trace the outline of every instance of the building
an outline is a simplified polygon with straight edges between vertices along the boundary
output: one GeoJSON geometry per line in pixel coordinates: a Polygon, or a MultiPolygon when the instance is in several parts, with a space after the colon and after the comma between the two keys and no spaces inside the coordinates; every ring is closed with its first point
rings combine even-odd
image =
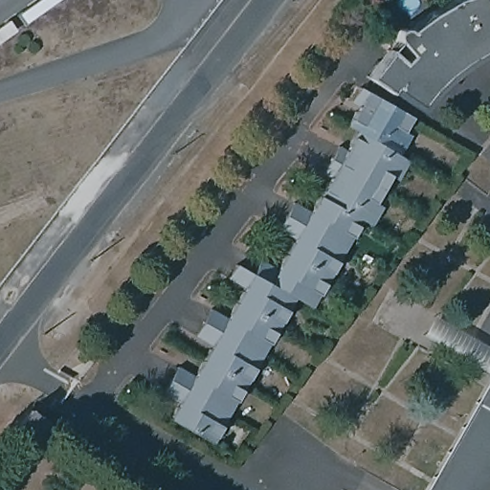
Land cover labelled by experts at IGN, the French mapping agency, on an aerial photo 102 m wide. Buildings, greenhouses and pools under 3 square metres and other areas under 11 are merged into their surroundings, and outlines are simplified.
{"type": "Polygon", "coordinates": [[[19,413],[11,421],[10,427],[19,427],[27,431],[34,419],[40,419],[38,410],[42,406],[38,400],[31,402],[19,413]]]}
{"type": "Polygon", "coordinates": [[[440,335],[438,331],[429,331],[431,341],[436,343],[450,346],[459,354],[471,354],[473,358],[477,358],[484,369],[484,375],[480,379],[482,390],[479,398],[473,410],[465,417],[463,427],[457,431],[450,450],[444,454],[442,461],[438,461],[434,477],[431,477],[427,482],[425,490],[490,490],[490,346],[467,335],[465,327],[448,327],[448,337],[440,335]]]}
{"type": "Polygon", "coordinates": [[[463,0],[454,8],[436,15],[419,31],[398,33],[394,40],[385,42],[383,48],[385,56],[373,69],[371,82],[375,82],[392,96],[400,96],[410,101],[417,109],[427,103],[436,105],[442,98],[448,101],[444,92],[461,78],[475,75],[479,67],[486,65],[486,59],[490,57],[490,0],[463,0]]]}
{"type": "Polygon", "coordinates": [[[241,266],[235,270],[232,279],[243,287],[241,299],[237,302],[234,310],[226,306],[214,306],[197,341],[201,345],[209,346],[209,356],[205,360],[203,366],[199,367],[197,375],[180,367],[172,379],[172,389],[178,396],[178,408],[174,413],[174,419],[182,427],[203,438],[209,438],[211,442],[220,440],[224,436],[224,425],[220,425],[222,419],[234,415],[237,404],[245,398],[247,385],[251,385],[258,375],[258,369],[251,366],[253,360],[266,358],[270,348],[278,341],[278,327],[283,327],[291,320],[291,310],[283,308],[285,302],[304,304],[316,308],[318,302],[327,295],[329,287],[325,279],[335,278],[339,274],[343,255],[348,253],[352,243],[356,241],[362,232],[369,230],[369,226],[377,224],[383,214],[383,199],[392,182],[404,178],[406,170],[410,168],[410,161],[402,155],[412,144],[412,126],[415,122],[415,117],[410,113],[402,111],[400,107],[360,86],[354,86],[352,96],[356,107],[352,109],[354,117],[350,122],[354,128],[354,138],[350,142],[345,163],[331,161],[329,170],[323,170],[318,176],[322,180],[318,189],[322,199],[316,205],[297,201],[289,201],[285,222],[287,230],[295,237],[295,245],[281,264],[279,285],[255,276],[253,272],[241,266]]]}

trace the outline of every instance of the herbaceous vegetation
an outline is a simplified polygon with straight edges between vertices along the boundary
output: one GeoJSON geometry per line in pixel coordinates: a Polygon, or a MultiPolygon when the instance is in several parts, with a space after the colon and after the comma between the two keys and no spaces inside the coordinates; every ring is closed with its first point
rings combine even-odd
{"type": "Polygon", "coordinates": [[[253,165],[249,165],[239,153],[232,157],[232,165],[241,167],[241,174],[245,178],[251,176],[253,165]]]}
{"type": "Polygon", "coordinates": [[[404,237],[404,230],[413,228],[412,218],[402,207],[390,207],[390,195],[398,195],[408,203],[417,203],[423,209],[429,209],[429,197],[434,195],[431,188],[419,184],[417,180],[406,182],[404,178],[392,182],[383,199],[383,214],[377,224],[377,230],[383,230],[392,237],[404,237]]]}
{"type": "Polygon", "coordinates": [[[312,132],[318,138],[323,138],[331,144],[345,142],[339,134],[329,132],[327,122],[333,121],[333,115],[339,115],[350,122],[354,117],[352,109],[356,107],[352,96],[339,96],[329,101],[312,128],[312,132]]]}
{"type": "Polygon", "coordinates": [[[352,304],[360,306],[362,314],[341,335],[333,352],[316,367],[312,377],[306,381],[306,385],[295,396],[295,400],[285,408],[285,413],[281,417],[291,419],[302,431],[312,434],[316,429],[320,429],[316,413],[325,404],[325,396],[337,396],[337,415],[346,415],[352,421],[352,425],[356,425],[356,431],[348,431],[331,438],[327,446],[339,459],[354,467],[366,469],[369,465],[367,448],[377,446],[389,434],[392,440],[392,454],[398,459],[400,456],[408,459],[413,467],[431,477],[434,477],[438,461],[442,461],[444,454],[450,450],[457,431],[463,427],[465,417],[473,410],[479,398],[482,390],[480,379],[457,392],[456,387],[448,381],[446,371],[429,362],[436,343],[431,341],[429,345],[413,343],[410,339],[390,333],[389,329],[383,327],[383,323],[373,323],[375,310],[385,297],[381,291],[371,302],[366,301],[364,295],[367,281],[373,281],[375,276],[373,256],[364,255],[364,276],[356,276],[354,270],[346,268],[346,262],[356,255],[356,241],[352,243],[348,253],[343,255],[339,274],[335,278],[325,279],[329,287],[337,283],[345,285],[345,289],[352,293],[352,304]],[[412,423],[404,417],[404,406],[408,404],[406,383],[412,377],[413,371],[417,371],[429,383],[434,408],[444,408],[436,417],[436,425],[412,427],[412,423]]]}
{"type": "Polygon", "coordinates": [[[442,142],[436,142],[427,136],[419,136],[419,124],[415,122],[412,126],[412,144],[402,155],[410,161],[421,159],[427,167],[438,170],[442,176],[450,176],[450,165],[457,161],[456,153],[442,142]]]}
{"type": "Polygon", "coordinates": [[[209,346],[201,345],[197,341],[182,333],[178,341],[191,348],[193,352],[201,354],[205,360],[209,356],[209,346]]]}
{"type": "Polygon", "coordinates": [[[392,25],[392,29],[396,29],[398,33],[419,31],[436,15],[454,8],[463,0],[417,0],[419,10],[415,15],[410,15],[402,0],[389,0],[379,6],[390,15],[387,25],[392,25]]]}
{"type": "Polygon", "coordinates": [[[385,473],[383,477],[392,482],[398,490],[425,490],[427,482],[413,477],[412,473],[398,465],[394,467],[392,475],[385,473]]]}
{"type": "Polygon", "coordinates": [[[11,44],[15,42],[15,36],[11,36],[0,46],[0,78],[27,71],[34,65],[42,65],[94,46],[101,46],[105,42],[117,40],[128,34],[140,33],[157,21],[163,8],[163,0],[63,0],[56,8],[42,13],[31,23],[25,21],[17,29],[17,33],[29,36],[29,40],[40,50],[36,54],[25,50],[21,52],[21,56],[11,57],[11,44]]]}
{"type": "Polygon", "coordinates": [[[214,274],[211,285],[226,285],[234,291],[237,302],[241,299],[243,287],[232,279],[214,274]]]}
{"type": "Polygon", "coordinates": [[[36,197],[46,199],[46,203],[38,207],[33,214],[21,214],[8,224],[0,226],[0,279],[6,276],[8,270],[15,270],[19,266],[19,255],[27,249],[27,245],[36,235],[40,234],[42,224],[59,207],[67,205],[78,182],[92,168],[100,165],[98,157],[101,147],[113,138],[115,128],[121,124],[122,115],[130,113],[140,103],[145,88],[153,86],[157,77],[163,75],[163,71],[170,65],[170,57],[165,54],[151,57],[134,65],[122,67],[119,71],[113,71],[111,75],[98,73],[94,77],[80,78],[54,88],[38,90],[19,100],[0,103],[0,207],[15,203],[19,197],[31,197],[33,193],[36,197]]]}
{"type": "Polygon", "coordinates": [[[19,413],[31,402],[38,400],[42,396],[40,390],[19,383],[4,385],[0,381],[0,434],[10,427],[11,421],[19,413]]]}
{"type": "Polygon", "coordinates": [[[42,459],[23,490],[46,490],[44,480],[52,475],[54,465],[42,459]]]}
{"type": "Polygon", "coordinates": [[[463,170],[461,184],[479,189],[480,193],[490,197],[490,161],[479,153],[477,159],[469,165],[469,170],[463,170]]]}
{"type": "Polygon", "coordinates": [[[247,258],[243,258],[241,266],[253,272],[255,276],[279,285],[281,264],[276,264],[274,268],[262,268],[247,258]]]}
{"type": "Polygon", "coordinates": [[[188,362],[191,354],[180,352],[176,346],[165,341],[159,341],[155,345],[157,356],[167,358],[172,364],[188,362]]]}
{"type": "Polygon", "coordinates": [[[400,258],[398,266],[392,270],[383,287],[385,291],[392,289],[394,293],[404,268],[408,268],[412,270],[415,278],[423,279],[431,289],[438,289],[436,301],[431,308],[438,318],[442,318],[444,304],[454,295],[461,301],[463,312],[469,318],[475,318],[479,318],[486,304],[490,302],[490,255],[484,260],[467,256],[467,247],[459,243],[463,241],[463,237],[471,230],[473,224],[484,224],[490,232],[490,212],[473,209],[471,201],[457,201],[452,201],[446,209],[448,220],[459,224],[457,232],[440,235],[438,228],[429,224],[429,230],[421,235],[421,239],[404,255],[404,258],[400,258]]]}
{"type": "Polygon", "coordinates": [[[184,128],[168,145],[165,155],[145,174],[144,180],[115,214],[109,234],[98,239],[98,243],[78,262],[77,268],[65,281],[65,285],[57,291],[56,299],[44,304],[38,312],[36,320],[42,325],[38,329],[38,346],[42,358],[46,360],[46,375],[59,381],[67,394],[73,394],[77,387],[92,383],[98,367],[94,367],[94,362],[80,362],[78,358],[80,350],[77,341],[80,327],[86,322],[98,325],[101,333],[105,333],[109,341],[109,352],[119,352],[119,348],[132,337],[132,323],[113,323],[107,318],[107,314],[101,312],[105,310],[111,295],[121,289],[126,299],[134,304],[136,312],[142,314],[147,310],[153,295],[142,293],[132,281],[126,281],[130,278],[132,262],[138,256],[147,256],[155,262],[163,262],[170,272],[170,279],[178,278],[178,274],[182,272],[186,264],[184,258],[168,258],[163,247],[155,243],[157,228],[163,230],[168,218],[174,220],[174,226],[191,245],[197,245],[203,237],[211,235],[211,224],[197,226],[195,220],[189,218],[186,209],[189,207],[189,195],[197,191],[203,197],[211,197],[220,212],[228,211],[230,203],[234,201],[234,191],[218,188],[212,182],[211,176],[212,168],[218,167],[218,161],[224,155],[226,147],[232,144],[232,130],[235,126],[239,126],[243,119],[249,117],[251,121],[258,122],[260,130],[268,138],[274,138],[276,142],[279,142],[279,145],[287,144],[289,138],[295,136],[301,128],[299,121],[279,121],[276,113],[264,107],[262,98],[266,96],[268,88],[278,88],[279,96],[283,100],[291,98],[297,101],[299,113],[308,111],[310,103],[316,98],[316,90],[301,88],[291,80],[289,63],[299,63],[302,56],[318,67],[320,75],[331,77],[339,67],[337,59],[323,56],[322,50],[316,48],[316,44],[320,42],[320,36],[329,29],[333,8],[341,0],[283,0],[276,6],[276,10],[272,11],[266,29],[256,34],[255,42],[235,63],[234,73],[222,78],[222,82],[193,109],[184,128]]]}
{"type": "Polygon", "coordinates": [[[251,385],[247,385],[245,398],[237,404],[234,415],[222,419],[220,425],[224,425],[224,436],[220,440],[228,446],[228,450],[235,450],[235,444],[241,444],[241,440],[245,438],[247,427],[258,429],[262,419],[270,417],[272,404],[264,400],[264,396],[276,402],[279,394],[289,390],[289,377],[276,369],[268,369],[270,360],[276,360],[293,375],[301,373],[299,366],[310,362],[310,354],[304,348],[289,343],[283,337],[285,333],[295,333],[301,327],[297,322],[297,312],[304,308],[304,304],[285,302],[283,308],[291,310],[291,320],[283,327],[278,327],[278,341],[270,348],[266,358],[253,360],[251,366],[258,369],[258,375],[251,385]]]}

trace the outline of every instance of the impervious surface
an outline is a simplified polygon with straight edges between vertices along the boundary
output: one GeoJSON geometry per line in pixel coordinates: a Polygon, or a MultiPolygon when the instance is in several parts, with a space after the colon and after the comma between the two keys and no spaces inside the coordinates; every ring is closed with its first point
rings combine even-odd
{"type": "Polygon", "coordinates": [[[429,331],[438,331],[440,335],[448,337],[448,327],[442,323],[442,318],[438,318],[431,308],[425,308],[421,304],[402,304],[398,302],[394,293],[392,289],[385,291],[383,287],[381,291],[385,297],[375,310],[373,323],[383,323],[383,327],[389,329],[390,333],[410,339],[413,343],[429,345],[431,341],[429,331]]]}
{"type": "Polygon", "coordinates": [[[40,390],[42,396],[38,400],[42,406],[50,410],[59,410],[63,419],[69,421],[73,427],[92,434],[92,448],[109,448],[111,444],[119,444],[122,459],[136,463],[149,477],[165,480],[170,490],[398,490],[392,482],[383,477],[366,469],[354,467],[339,459],[327,446],[312,434],[302,431],[291,419],[281,417],[270,427],[262,442],[256,444],[255,452],[251,452],[251,457],[243,461],[241,469],[237,471],[228,471],[220,465],[212,465],[205,457],[191,452],[188,446],[153,431],[149,425],[140,423],[134,415],[126,412],[115,402],[115,396],[122,383],[130,385],[132,381],[136,381],[144,385],[145,389],[155,387],[155,392],[163,398],[165,419],[174,419],[174,413],[178,408],[178,396],[172,389],[172,379],[180,367],[197,375],[199,367],[188,362],[172,364],[167,358],[157,356],[155,345],[159,341],[165,341],[168,329],[174,322],[180,323],[182,333],[197,341],[214,306],[209,299],[197,297],[197,291],[201,287],[211,285],[214,274],[232,279],[235,270],[241,266],[243,258],[247,258],[249,247],[243,241],[253,224],[258,220],[272,222],[276,226],[285,222],[289,201],[297,201],[293,193],[285,191],[287,167],[301,168],[304,165],[304,170],[308,174],[318,176],[323,170],[329,170],[331,161],[345,163],[350,142],[345,142],[331,144],[323,138],[318,138],[312,132],[312,128],[329,101],[339,96],[352,96],[354,86],[360,86],[400,107],[402,111],[410,113],[415,117],[415,122],[419,124],[423,122],[434,128],[438,134],[446,136],[448,140],[454,140],[457,144],[467,147],[469,151],[479,153],[490,161],[490,130],[480,130],[479,124],[475,121],[475,111],[480,105],[490,107],[490,57],[486,59],[486,65],[479,67],[475,75],[461,78],[444,92],[448,101],[442,98],[436,105],[427,103],[417,109],[410,101],[400,96],[392,96],[375,82],[371,82],[373,69],[385,56],[383,48],[371,50],[366,40],[362,40],[354,42],[352,52],[337,59],[339,67],[331,77],[320,75],[320,88],[316,90],[316,98],[310,103],[308,111],[299,113],[299,121],[301,128],[295,136],[289,138],[287,144],[279,145],[279,142],[276,142],[276,157],[272,161],[266,161],[264,165],[253,165],[251,176],[245,178],[243,186],[234,191],[234,201],[230,203],[228,211],[220,212],[218,220],[211,224],[211,235],[203,237],[197,245],[191,245],[193,253],[184,258],[186,264],[182,272],[178,274],[178,278],[170,279],[165,293],[153,295],[147,310],[142,314],[136,312],[132,323],[132,337],[119,348],[119,352],[109,352],[109,362],[98,367],[92,383],[77,387],[73,394],[67,394],[59,381],[46,375],[46,360],[42,358],[38,346],[38,329],[42,325],[36,320],[38,312],[44,304],[56,299],[57,291],[65,285],[65,281],[77,268],[78,262],[98,243],[98,239],[109,234],[115,214],[144,180],[145,174],[165,155],[168,145],[184,128],[193,109],[222,82],[222,78],[234,73],[235,63],[255,42],[256,34],[266,29],[272,11],[276,10],[276,6],[283,0],[163,0],[163,8],[157,21],[140,33],[128,34],[117,40],[105,42],[101,46],[94,46],[42,65],[34,65],[27,71],[0,78],[0,103],[19,100],[38,90],[54,88],[80,78],[94,77],[98,73],[111,75],[113,71],[119,71],[122,67],[134,65],[151,57],[165,54],[170,57],[170,65],[163,71],[163,75],[157,77],[153,86],[145,88],[140,103],[130,113],[122,115],[121,124],[115,128],[113,138],[101,147],[98,157],[100,165],[92,168],[78,182],[67,205],[59,207],[42,224],[40,234],[36,235],[27,245],[27,249],[19,255],[19,266],[15,270],[8,270],[6,276],[0,279],[0,381],[4,385],[19,383],[40,390]],[[438,121],[440,113],[450,107],[463,113],[459,132],[446,128],[438,121]],[[172,454],[176,457],[176,461],[182,463],[186,477],[176,479],[167,467],[155,465],[153,461],[159,454],[172,454]]]}
{"type": "Polygon", "coordinates": [[[408,459],[400,456],[398,459],[398,465],[412,473],[413,477],[427,482],[431,477],[413,467],[408,459]]]}
{"type": "Polygon", "coordinates": [[[0,46],[11,36],[15,36],[17,33],[17,29],[25,21],[31,23],[42,13],[56,8],[63,0],[0,0],[0,46]]]}
{"type": "Polygon", "coordinates": [[[473,209],[490,212],[490,197],[480,193],[479,189],[461,184],[461,188],[457,189],[457,201],[471,201],[473,209]]]}
{"type": "Polygon", "coordinates": [[[486,304],[479,318],[475,318],[475,327],[465,327],[467,335],[490,346],[490,302],[486,304]]]}

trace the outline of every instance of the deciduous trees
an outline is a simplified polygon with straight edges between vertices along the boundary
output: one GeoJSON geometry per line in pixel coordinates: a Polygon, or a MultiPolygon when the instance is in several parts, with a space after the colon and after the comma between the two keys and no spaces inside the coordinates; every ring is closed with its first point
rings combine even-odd
{"type": "Polygon", "coordinates": [[[107,318],[113,323],[132,323],[136,312],[134,304],[126,299],[121,289],[111,295],[105,310],[101,312],[107,314],[107,318]]]}
{"type": "Polygon", "coordinates": [[[429,362],[446,371],[448,381],[456,387],[457,392],[480,379],[484,375],[484,369],[477,358],[473,358],[471,354],[459,354],[450,346],[436,343],[429,362]]]}
{"type": "Polygon", "coordinates": [[[463,237],[463,241],[459,243],[467,247],[467,256],[484,260],[490,255],[490,232],[484,224],[473,224],[471,230],[463,237]]]}
{"type": "Polygon", "coordinates": [[[297,201],[316,205],[322,199],[318,189],[322,180],[318,176],[308,174],[304,170],[304,165],[301,168],[287,167],[285,191],[293,193],[297,201]]]}
{"type": "Polygon", "coordinates": [[[25,50],[36,54],[40,50],[29,40],[29,36],[17,33],[15,36],[15,42],[11,44],[11,57],[21,56],[21,52],[25,50]]]}
{"type": "Polygon", "coordinates": [[[438,121],[446,128],[459,132],[463,113],[450,107],[440,113],[438,121]]]}
{"type": "Polygon", "coordinates": [[[289,63],[291,80],[301,88],[316,90],[320,88],[320,75],[318,67],[302,56],[299,63],[289,63]]]}
{"type": "Polygon", "coordinates": [[[197,226],[211,224],[218,220],[220,212],[211,197],[203,197],[197,191],[189,195],[189,207],[186,209],[189,218],[195,220],[197,226]]]}
{"type": "Polygon", "coordinates": [[[392,475],[394,467],[398,465],[398,459],[392,454],[392,440],[389,434],[377,446],[367,448],[369,465],[366,469],[383,477],[385,473],[392,475]]]}
{"type": "Polygon", "coordinates": [[[211,176],[212,182],[218,188],[234,191],[243,186],[245,178],[241,174],[241,167],[232,165],[232,157],[239,153],[249,165],[253,165],[264,165],[266,161],[272,161],[276,157],[276,142],[274,138],[268,138],[260,130],[258,122],[251,121],[249,117],[243,119],[239,126],[235,126],[232,130],[232,144],[226,147],[224,155],[218,161],[218,167],[212,168],[211,176]]]}
{"type": "Polygon", "coordinates": [[[475,121],[479,124],[480,130],[490,130],[490,107],[480,105],[475,111],[475,121]]]}
{"type": "Polygon", "coordinates": [[[191,354],[188,362],[199,367],[203,366],[205,360],[201,354],[193,352],[191,348],[178,341],[182,333],[180,323],[174,322],[168,329],[165,341],[176,346],[180,352],[191,354]]]}
{"type": "Polygon", "coordinates": [[[448,220],[446,209],[452,201],[457,201],[457,189],[461,188],[461,184],[463,170],[469,170],[469,165],[477,159],[479,153],[469,151],[467,147],[457,144],[454,140],[448,140],[446,136],[438,134],[434,128],[423,122],[419,124],[419,136],[427,136],[436,142],[442,142],[456,153],[457,161],[450,165],[450,176],[442,176],[438,170],[427,167],[421,159],[410,161],[410,168],[406,170],[404,178],[406,182],[417,180],[419,184],[431,188],[434,195],[429,197],[429,209],[423,209],[417,203],[408,203],[398,195],[390,195],[390,207],[402,207],[412,218],[413,228],[404,230],[404,237],[392,237],[383,230],[377,230],[377,224],[369,226],[369,230],[362,232],[356,241],[356,255],[346,262],[346,268],[354,270],[356,276],[364,276],[364,255],[373,256],[375,276],[373,281],[367,281],[364,295],[366,301],[371,302],[381,291],[383,287],[392,270],[398,266],[400,258],[404,258],[404,255],[421,239],[421,235],[429,230],[429,224],[438,228],[440,235],[457,232],[459,224],[448,220]]]}
{"type": "Polygon", "coordinates": [[[383,48],[385,42],[394,40],[398,33],[396,29],[392,29],[392,25],[387,25],[390,15],[379,6],[389,0],[341,0],[333,8],[329,29],[320,36],[320,42],[316,44],[316,48],[322,50],[323,56],[337,59],[352,52],[354,42],[362,40],[366,40],[371,50],[383,48]]]}
{"type": "Polygon", "coordinates": [[[352,421],[346,415],[337,415],[337,396],[325,396],[325,404],[316,413],[320,429],[316,429],[312,434],[327,446],[331,438],[348,431],[356,431],[356,425],[352,425],[352,421]]]}
{"type": "Polygon", "coordinates": [[[157,228],[155,243],[163,247],[168,258],[184,258],[193,253],[191,245],[174,226],[174,220],[168,218],[163,230],[157,228]]]}
{"type": "Polygon", "coordinates": [[[339,115],[333,115],[333,121],[327,122],[329,132],[339,134],[345,142],[350,142],[354,138],[354,128],[350,122],[339,115]]]}
{"type": "Polygon", "coordinates": [[[278,88],[268,88],[266,96],[262,98],[264,107],[276,113],[279,121],[299,121],[299,113],[297,101],[291,98],[283,100],[279,96],[278,88]]]}
{"type": "Polygon", "coordinates": [[[159,454],[153,461],[155,465],[167,467],[176,479],[186,477],[182,463],[176,461],[176,457],[172,454],[159,454]]]}
{"type": "Polygon", "coordinates": [[[310,354],[310,362],[299,366],[301,373],[293,375],[276,360],[270,360],[268,369],[276,369],[289,377],[289,390],[279,394],[276,402],[264,396],[264,400],[272,404],[270,417],[262,419],[258,429],[247,427],[245,438],[241,440],[241,444],[235,444],[235,450],[228,450],[228,446],[220,440],[211,442],[209,438],[203,438],[182,427],[174,419],[165,419],[163,398],[155,392],[155,387],[145,389],[144,385],[136,381],[132,381],[130,385],[122,383],[115,396],[115,402],[126,412],[134,415],[140,423],[149,425],[153,431],[188,446],[191,452],[205,457],[212,465],[220,465],[228,471],[237,471],[241,469],[243,461],[251,457],[251,452],[255,452],[256,444],[262,442],[270,427],[281,417],[285,413],[285,408],[295,400],[295,396],[306,385],[306,381],[312,377],[316,367],[333,352],[341,335],[362,314],[360,306],[352,304],[352,293],[345,289],[345,285],[337,283],[329,287],[327,295],[318,302],[316,308],[304,304],[304,308],[297,312],[297,322],[301,327],[295,333],[285,333],[283,337],[289,343],[304,348],[310,354]]]}
{"type": "Polygon", "coordinates": [[[42,406],[38,410],[40,419],[34,419],[27,431],[19,427],[10,427],[0,434],[0,490],[23,490],[42,459],[54,465],[52,475],[44,480],[46,490],[170,490],[165,480],[149,477],[136,463],[122,459],[119,444],[111,444],[109,448],[92,448],[92,434],[73,427],[69,421],[63,419],[59,410],[50,410],[42,406]]]}
{"type": "Polygon", "coordinates": [[[234,291],[226,285],[211,285],[201,287],[197,291],[197,297],[209,299],[214,306],[226,306],[234,310],[237,302],[234,291]]]}
{"type": "Polygon", "coordinates": [[[436,417],[444,408],[434,408],[429,383],[417,371],[413,371],[412,377],[406,383],[408,404],[404,406],[404,417],[412,423],[412,427],[436,425],[436,417]]]}
{"type": "Polygon", "coordinates": [[[461,301],[454,295],[444,304],[442,318],[442,323],[448,327],[465,327],[475,327],[475,318],[469,318],[463,312],[461,301]]]}
{"type": "Polygon", "coordinates": [[[281,264],[295,245],[295,237],[287,230],[285,222],[276,226],[272,222],[258,220],[253,224],[243,241],[249,247],[247,258],[262,268],[274,268],[276,264],[281,264]]]}
{"type": "Polygon", "coordinates": [[[80,362],[94,362],[94,367],[98,367],[109,362],[109,352],[109,341],[105,333],[101,333],[98,325],[86,322],[80,327],[77,341],[80,350],[78,358],[80,362]]]}
{"type": "Polygon", "coordinates": [[[436,301],[438,289],[431,289],[423,279],[415,278],[412,270],[408,268],[404,268],[394,293],[398,302],[402,304],[421,304],[425,308],[431,308],[436,301]]]}
{"type": "Polygon", "coordinates": [[[138,256],[132,262],[130,278],[126,281],[132,281],[142,293],[153,295],[165,293],[170,279],[170,272],[163,262],[155,262],[147,256],[138,256]]]}

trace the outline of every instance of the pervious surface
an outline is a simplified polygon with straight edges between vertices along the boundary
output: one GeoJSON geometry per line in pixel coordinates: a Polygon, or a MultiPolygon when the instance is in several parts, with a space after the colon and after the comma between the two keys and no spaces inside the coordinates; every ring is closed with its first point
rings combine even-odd
{"type": "Polygon", "coordinates": [[[33,193],[31,197],[19,197],[15,203],[0,207],[0,226],[8,224],[21,214],[33,214],[38,207],[46,203],[46,199],[36,197],[33,193]]]}

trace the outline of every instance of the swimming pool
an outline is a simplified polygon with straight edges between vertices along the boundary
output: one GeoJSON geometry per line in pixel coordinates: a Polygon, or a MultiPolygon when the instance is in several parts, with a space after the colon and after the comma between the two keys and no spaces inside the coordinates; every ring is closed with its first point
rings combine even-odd
{"type": "Polygon", "coordinates": [[[419,10],[417,0],[402,0],[410,15],[415,15],[419,10]]]}

